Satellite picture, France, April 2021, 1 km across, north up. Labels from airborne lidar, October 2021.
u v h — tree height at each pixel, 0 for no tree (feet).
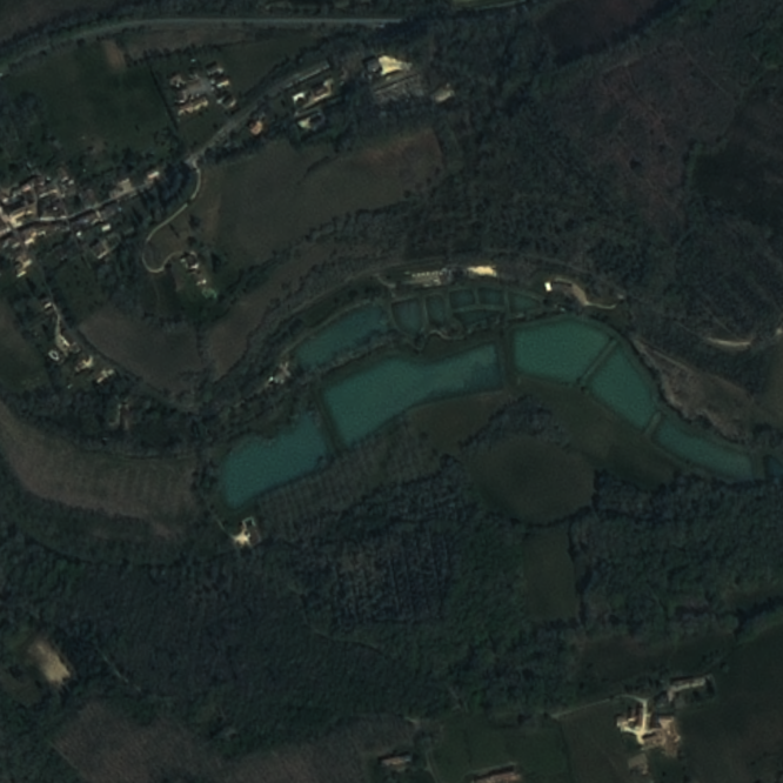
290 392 77
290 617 44
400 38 72
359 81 21
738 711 0
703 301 50
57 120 0
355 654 47
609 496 65
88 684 47
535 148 56
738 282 54
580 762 0
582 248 52
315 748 72
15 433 0
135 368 0
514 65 74
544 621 0
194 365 0
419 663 76
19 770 68
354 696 53
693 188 24
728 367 31
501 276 41
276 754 71
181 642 31
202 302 0
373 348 69
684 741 0
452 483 38
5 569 79
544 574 0
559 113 50
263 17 45
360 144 73
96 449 64
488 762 0
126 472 0
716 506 53
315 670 53
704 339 34
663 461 0
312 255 0
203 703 45
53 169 22
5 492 48
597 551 70
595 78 36
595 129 30
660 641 59
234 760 62
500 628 90
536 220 63
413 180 0
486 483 0
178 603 24
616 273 46
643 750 0
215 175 0
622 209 55
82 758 72
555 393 0
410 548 58
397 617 57
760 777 0
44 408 73
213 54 45
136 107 0
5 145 89
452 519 40
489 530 72
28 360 0
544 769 0
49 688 37
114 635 45
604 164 39
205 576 27
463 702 67
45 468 0
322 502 63
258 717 62
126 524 57
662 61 28
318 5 0
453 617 78
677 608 72
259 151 46
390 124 66
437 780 0
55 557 60
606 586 73
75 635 52
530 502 0
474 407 0
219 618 23
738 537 67
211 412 56
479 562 78
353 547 51
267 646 58
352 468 59
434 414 0
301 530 47
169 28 0
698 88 29
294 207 0
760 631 52
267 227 0
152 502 0
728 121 36
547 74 88
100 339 0
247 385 38
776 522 75
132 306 66
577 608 0
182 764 79
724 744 0
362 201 0
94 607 42
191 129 0
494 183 73
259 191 0
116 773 83
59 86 0
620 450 0
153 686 58
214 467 39
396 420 40
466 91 63
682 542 95
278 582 58
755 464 0
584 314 57
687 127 27
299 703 51
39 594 51
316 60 35
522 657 94
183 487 0
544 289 0
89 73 0
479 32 83
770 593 0
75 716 65
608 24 20
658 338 33
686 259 65
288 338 36
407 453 43
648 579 84
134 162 29
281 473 0
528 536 20
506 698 74
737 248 52
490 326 48
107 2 0
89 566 35
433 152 0
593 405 0
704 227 60
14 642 60
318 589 79
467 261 70
